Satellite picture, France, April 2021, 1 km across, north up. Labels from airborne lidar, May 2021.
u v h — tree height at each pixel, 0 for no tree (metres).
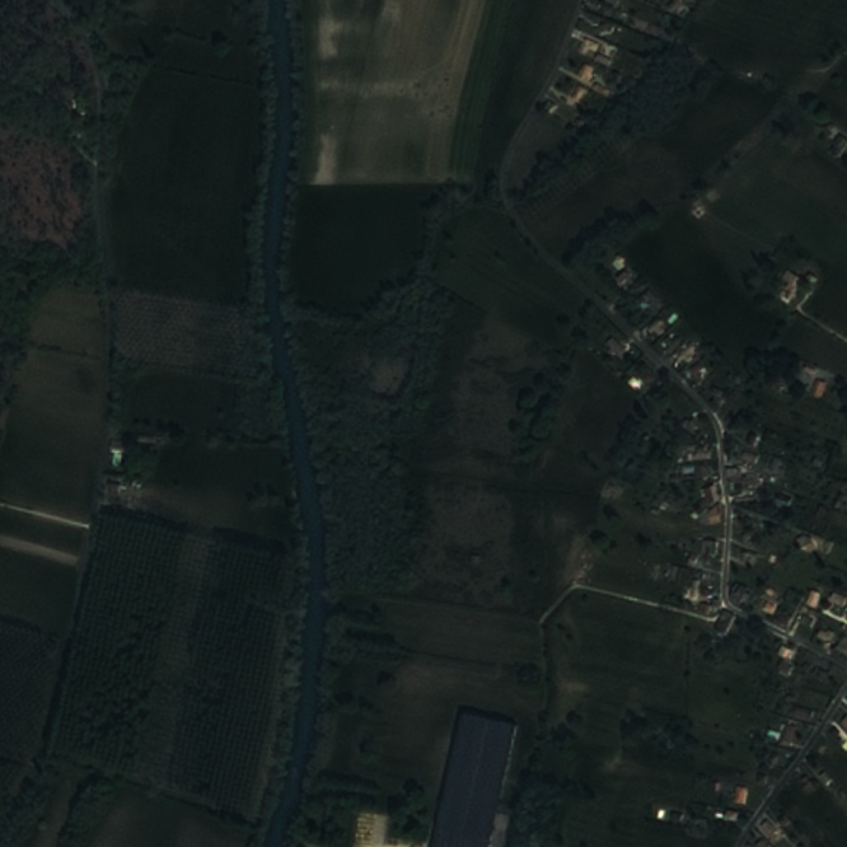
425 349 14
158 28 0
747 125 0
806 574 0
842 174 0
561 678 0
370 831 0
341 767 0
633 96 17
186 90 0
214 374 13
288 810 0
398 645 17
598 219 0
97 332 0
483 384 0
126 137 0
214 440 15
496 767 0
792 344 0
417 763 0
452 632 0
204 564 25
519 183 0
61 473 0
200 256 0
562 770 0
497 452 0
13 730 24
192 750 21
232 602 24
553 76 0
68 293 0
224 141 0
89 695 24
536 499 0
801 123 0
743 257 0
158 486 0
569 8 0
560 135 0
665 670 0
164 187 0
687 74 25
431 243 11
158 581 22
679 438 11
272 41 11
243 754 22
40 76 12
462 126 0
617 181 0
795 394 11
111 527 17
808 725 9
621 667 0
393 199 0
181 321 22
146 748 5
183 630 22
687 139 0
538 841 25
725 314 0
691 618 0
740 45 0
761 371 27
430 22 0
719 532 0
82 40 9
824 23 0
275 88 15
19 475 0
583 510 0
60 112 23
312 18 0
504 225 0
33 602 0
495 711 0
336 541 19
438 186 0
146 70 9
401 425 13
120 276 0
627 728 13
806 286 17
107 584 21
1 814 23
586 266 23
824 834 0
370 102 0
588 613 0
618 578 0
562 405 18
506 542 0
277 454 0
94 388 0
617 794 0
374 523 17
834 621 0
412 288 13
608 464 12
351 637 13
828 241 0
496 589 0
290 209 7
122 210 0
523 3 0
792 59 0
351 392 16
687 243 0
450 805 0
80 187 17
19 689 23
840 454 7
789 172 0
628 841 0
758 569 0
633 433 20
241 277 0
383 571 17
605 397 0
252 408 12
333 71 0
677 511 0
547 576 0
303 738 0
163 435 15
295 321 13
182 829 0
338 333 10
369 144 0
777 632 0
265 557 25
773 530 9
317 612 0
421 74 0
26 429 0
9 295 23
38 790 18
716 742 0
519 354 0
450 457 0
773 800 0
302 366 19
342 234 0
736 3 0
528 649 0
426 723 0
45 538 0
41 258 16
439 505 0
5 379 22
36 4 16
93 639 21
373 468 17
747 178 0
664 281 0
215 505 0
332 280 0
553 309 0
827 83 0
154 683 18
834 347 0
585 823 0
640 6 0
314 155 0
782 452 0
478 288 0
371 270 0
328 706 13
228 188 0
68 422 0
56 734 24
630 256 0
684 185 0
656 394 18
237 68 0
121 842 0
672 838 0
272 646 25
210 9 0
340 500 18
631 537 0
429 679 0
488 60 0
